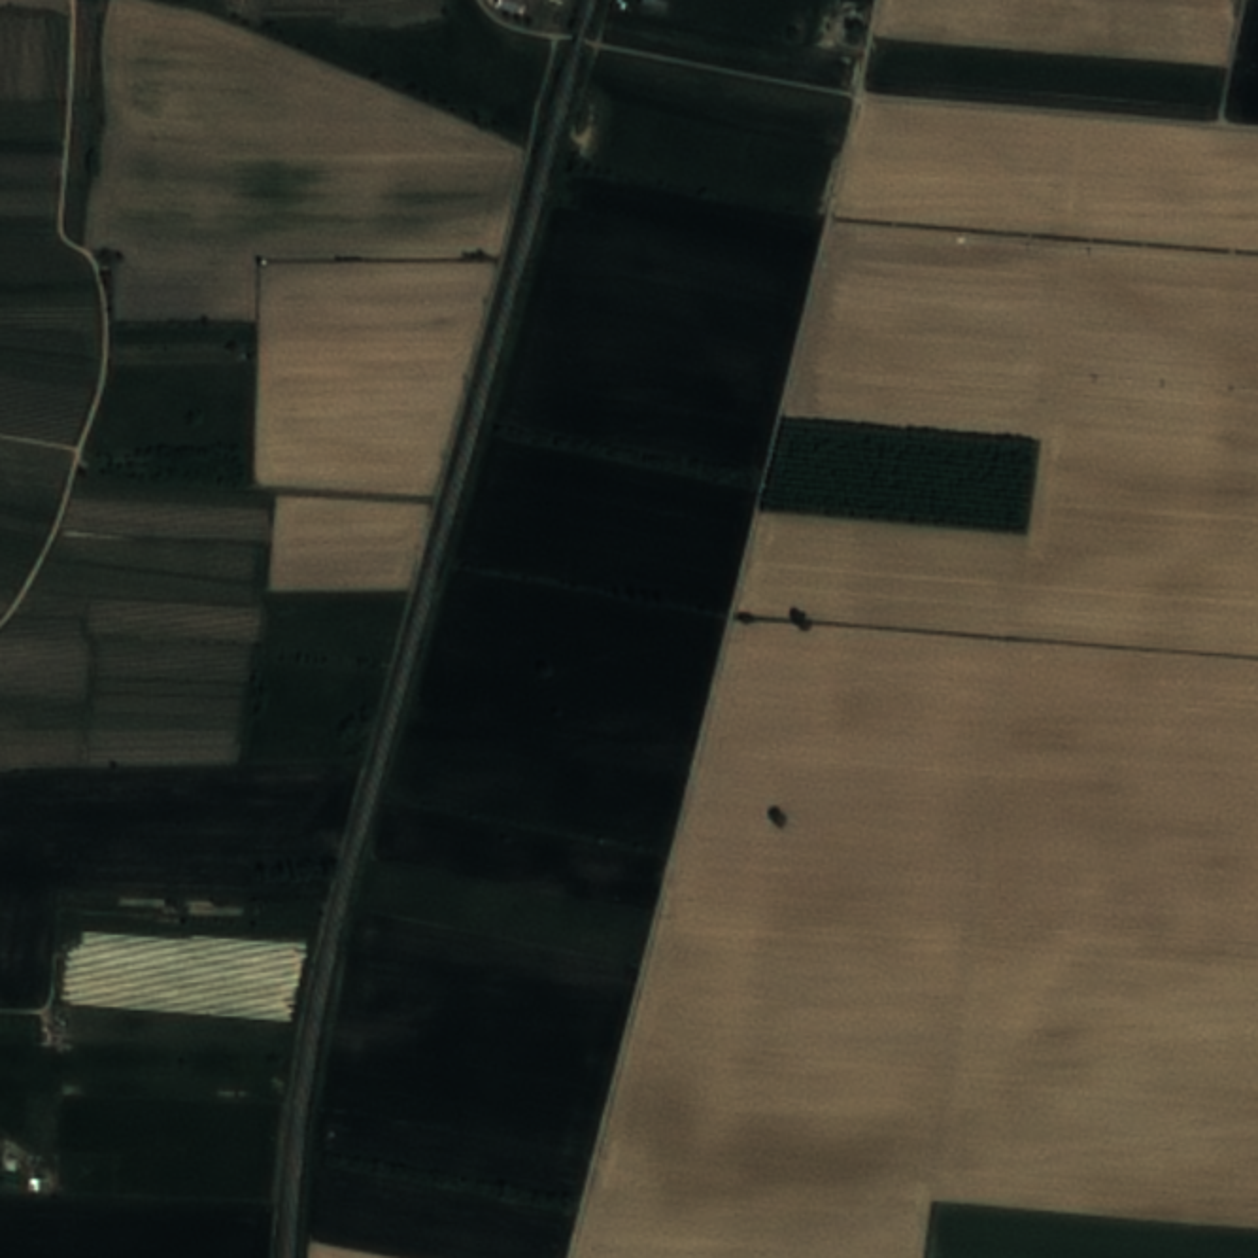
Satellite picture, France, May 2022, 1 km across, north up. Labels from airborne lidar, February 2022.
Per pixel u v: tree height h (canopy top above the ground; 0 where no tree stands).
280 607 0
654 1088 0
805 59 0
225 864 0
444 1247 0
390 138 0
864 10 0
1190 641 0
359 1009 0
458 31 0
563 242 0
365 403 0
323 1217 0
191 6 0
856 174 0
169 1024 0
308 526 0
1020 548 0
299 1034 0
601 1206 0
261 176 0
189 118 0
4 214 0
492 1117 0
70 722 0
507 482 0
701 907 0
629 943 0
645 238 0
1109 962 0
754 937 0
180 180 0
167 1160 0
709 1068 0
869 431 7
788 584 0
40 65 0
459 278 0
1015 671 0
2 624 0
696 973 0
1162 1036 0
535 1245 0
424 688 0
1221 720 0
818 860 0
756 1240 0
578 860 0
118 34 0
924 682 0
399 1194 0
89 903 0
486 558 0
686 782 0
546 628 0
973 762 0
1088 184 0
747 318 0
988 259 0
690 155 0
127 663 0
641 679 0
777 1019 0
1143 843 0
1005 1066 0
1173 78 0
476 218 0
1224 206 0
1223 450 0
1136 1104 0
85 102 0
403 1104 0
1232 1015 0
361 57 0
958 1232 0
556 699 0
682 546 0
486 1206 0
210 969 0
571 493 0
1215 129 0
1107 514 0
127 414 0
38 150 0
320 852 0
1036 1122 0
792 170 0
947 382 0
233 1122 0
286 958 0
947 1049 0
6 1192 0
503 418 0
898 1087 0
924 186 0
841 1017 0
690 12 0
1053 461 0
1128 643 0
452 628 0
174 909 0
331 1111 0
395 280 0
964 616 0
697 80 0
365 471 0
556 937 0
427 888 0
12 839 0
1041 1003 0
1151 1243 0
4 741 0
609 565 0
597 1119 0
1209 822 0
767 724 0
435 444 0
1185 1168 0
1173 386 0
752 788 0
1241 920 0
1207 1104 0
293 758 0
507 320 0
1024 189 0
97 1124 0
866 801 0
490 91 0
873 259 0
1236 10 0
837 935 0
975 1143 0
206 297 0
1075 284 0
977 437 7
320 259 0
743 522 0
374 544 0
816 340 0
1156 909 0
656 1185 0
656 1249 0
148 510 0
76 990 0
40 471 0
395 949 0
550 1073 0
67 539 0
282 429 0
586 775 0
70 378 0
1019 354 0
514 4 0
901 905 0
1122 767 0
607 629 0
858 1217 0
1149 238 0
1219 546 0
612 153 0
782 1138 0
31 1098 0
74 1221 0
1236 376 0
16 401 0
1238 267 0
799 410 0
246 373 0
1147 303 0
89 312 0
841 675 0
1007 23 0
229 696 0
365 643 0
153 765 0
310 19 0
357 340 0
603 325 0
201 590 0
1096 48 0
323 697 0
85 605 0
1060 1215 0
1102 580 0
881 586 0
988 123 0
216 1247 0
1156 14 0
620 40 0
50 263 0
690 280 0
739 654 0
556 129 0
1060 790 0
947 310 0
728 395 0
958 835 0
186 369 0
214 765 0
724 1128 0
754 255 0
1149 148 0
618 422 0
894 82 0
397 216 0
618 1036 0
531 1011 0
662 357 0
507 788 0
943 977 0
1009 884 0
